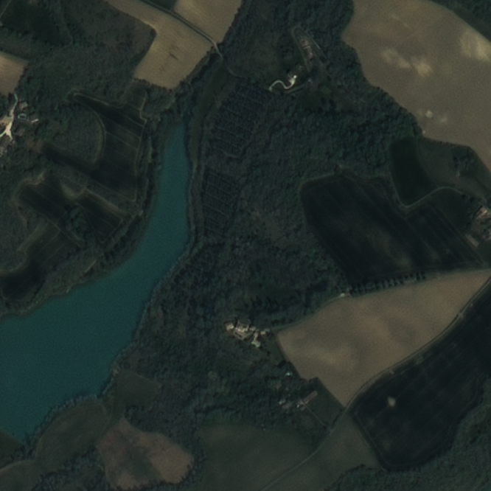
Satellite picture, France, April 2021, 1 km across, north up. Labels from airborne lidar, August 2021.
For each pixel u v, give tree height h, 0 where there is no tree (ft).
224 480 0
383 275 0
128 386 0
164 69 0
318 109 0
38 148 0
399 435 0
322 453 0
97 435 0
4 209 65
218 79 0
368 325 0
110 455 0
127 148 0
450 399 0
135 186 0
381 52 0
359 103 54
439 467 60
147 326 25
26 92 64
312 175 42
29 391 0
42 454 0
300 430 19
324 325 0
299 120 47
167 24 0
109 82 66
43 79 41
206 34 0
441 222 0
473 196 0
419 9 0
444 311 0
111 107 0
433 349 0
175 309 25
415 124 43
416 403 0
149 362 29
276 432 0
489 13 40
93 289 0
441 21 0
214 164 73
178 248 0
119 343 0
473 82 0
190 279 47
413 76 0
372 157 91
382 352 0
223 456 0
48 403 0
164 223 0
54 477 41
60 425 0
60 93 67
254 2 27
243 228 42
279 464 0
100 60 43
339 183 0
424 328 0
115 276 0
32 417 0
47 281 68
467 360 0
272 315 64
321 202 0
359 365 0
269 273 64
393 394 0
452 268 0
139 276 0
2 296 0
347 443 0
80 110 59
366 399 0
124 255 39
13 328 0
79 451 0
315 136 68
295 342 0
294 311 82
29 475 0
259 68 22
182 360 48
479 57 0
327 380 0
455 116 0
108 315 0
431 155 0
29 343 0
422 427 0
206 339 65
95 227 0
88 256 43
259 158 55
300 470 0
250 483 0
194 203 40
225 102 21
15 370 0
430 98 0
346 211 0
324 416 0
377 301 0
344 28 45
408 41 0
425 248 0
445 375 0
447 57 0
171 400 24
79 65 58
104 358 0
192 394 27
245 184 59
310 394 0
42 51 26
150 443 0
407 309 0
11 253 69
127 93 53
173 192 0
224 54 81
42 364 0
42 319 0
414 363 0
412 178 0
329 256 52
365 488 88
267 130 22
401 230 0
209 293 85
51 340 0
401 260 0
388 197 0
